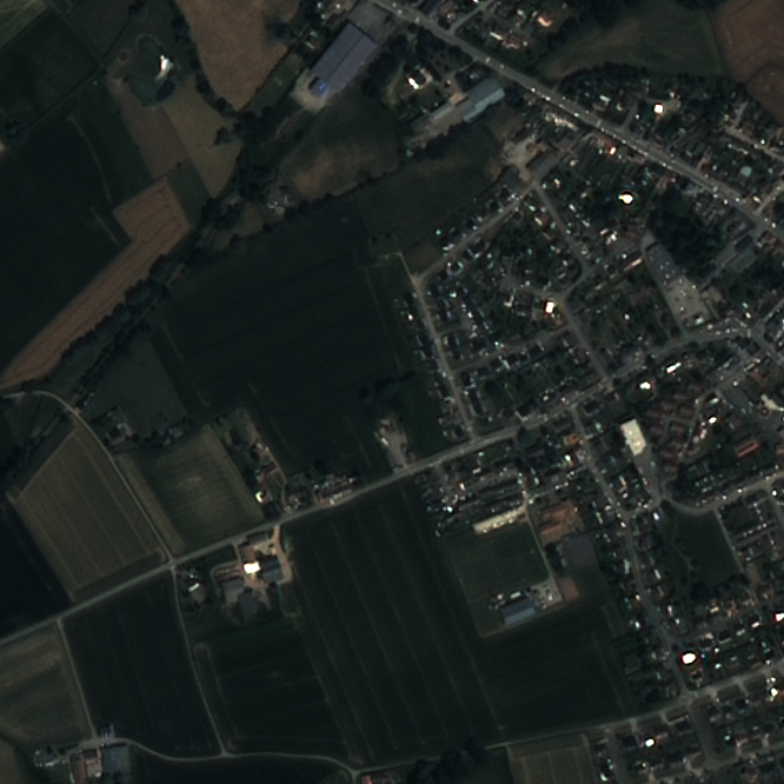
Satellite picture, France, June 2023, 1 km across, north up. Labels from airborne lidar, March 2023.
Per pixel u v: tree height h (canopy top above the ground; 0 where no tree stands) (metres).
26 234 0
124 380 0
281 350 0
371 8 0
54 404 0
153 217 0
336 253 0
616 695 0
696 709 0
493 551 0
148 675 0
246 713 0
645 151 0
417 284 0
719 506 0
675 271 0
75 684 0
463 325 0
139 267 0
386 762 0
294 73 0
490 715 0
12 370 0
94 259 0
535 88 0
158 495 0
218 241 0
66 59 0
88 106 0
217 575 0
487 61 0
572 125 0
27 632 0
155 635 0
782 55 0
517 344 0
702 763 0
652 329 12
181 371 0
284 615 0
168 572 0
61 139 0
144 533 0
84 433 0
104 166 0
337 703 0
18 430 0
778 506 0
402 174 0
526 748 0
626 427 0
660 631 0
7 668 0
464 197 0
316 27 13
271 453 0
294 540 0
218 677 0
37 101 0
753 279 7
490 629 0
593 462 0
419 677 0
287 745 0
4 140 0
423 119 0
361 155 0
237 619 0
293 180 0
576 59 0
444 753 0
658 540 14
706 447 0
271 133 0
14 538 0
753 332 0
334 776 0
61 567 0
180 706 0
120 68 0
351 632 0
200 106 0
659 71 0
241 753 0
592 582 0
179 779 0
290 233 0
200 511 0
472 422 0
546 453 13
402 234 0
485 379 0
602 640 0
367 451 0
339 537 0
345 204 0
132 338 7
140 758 0
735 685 0
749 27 0
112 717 0
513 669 0
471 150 0
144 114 0
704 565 0
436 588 0
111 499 0
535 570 0
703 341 0
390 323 0
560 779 0
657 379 6
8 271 0
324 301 0
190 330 0
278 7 0
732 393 0
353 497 0
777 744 0
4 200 0
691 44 0
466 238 0
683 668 5
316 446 0
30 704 0
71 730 0
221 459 0
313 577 0
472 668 0
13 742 0
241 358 0
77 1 0
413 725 0
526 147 0
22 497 0
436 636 0
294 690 0
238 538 0
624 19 0
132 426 0
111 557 0
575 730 0
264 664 0
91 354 0
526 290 0
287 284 0
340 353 0
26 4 0
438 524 0
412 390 0
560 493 7
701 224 14
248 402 0
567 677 0
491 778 0
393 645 0
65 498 0
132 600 0
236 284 0
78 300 0
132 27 0
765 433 0
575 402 0
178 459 0
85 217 0
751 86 0
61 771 0
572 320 0
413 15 0
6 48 0
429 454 0
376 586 0
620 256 0
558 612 0
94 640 0
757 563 0
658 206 7
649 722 0
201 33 0
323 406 0
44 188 0
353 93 0
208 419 0
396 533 0
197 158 0
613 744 0
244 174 9
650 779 0
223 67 0
